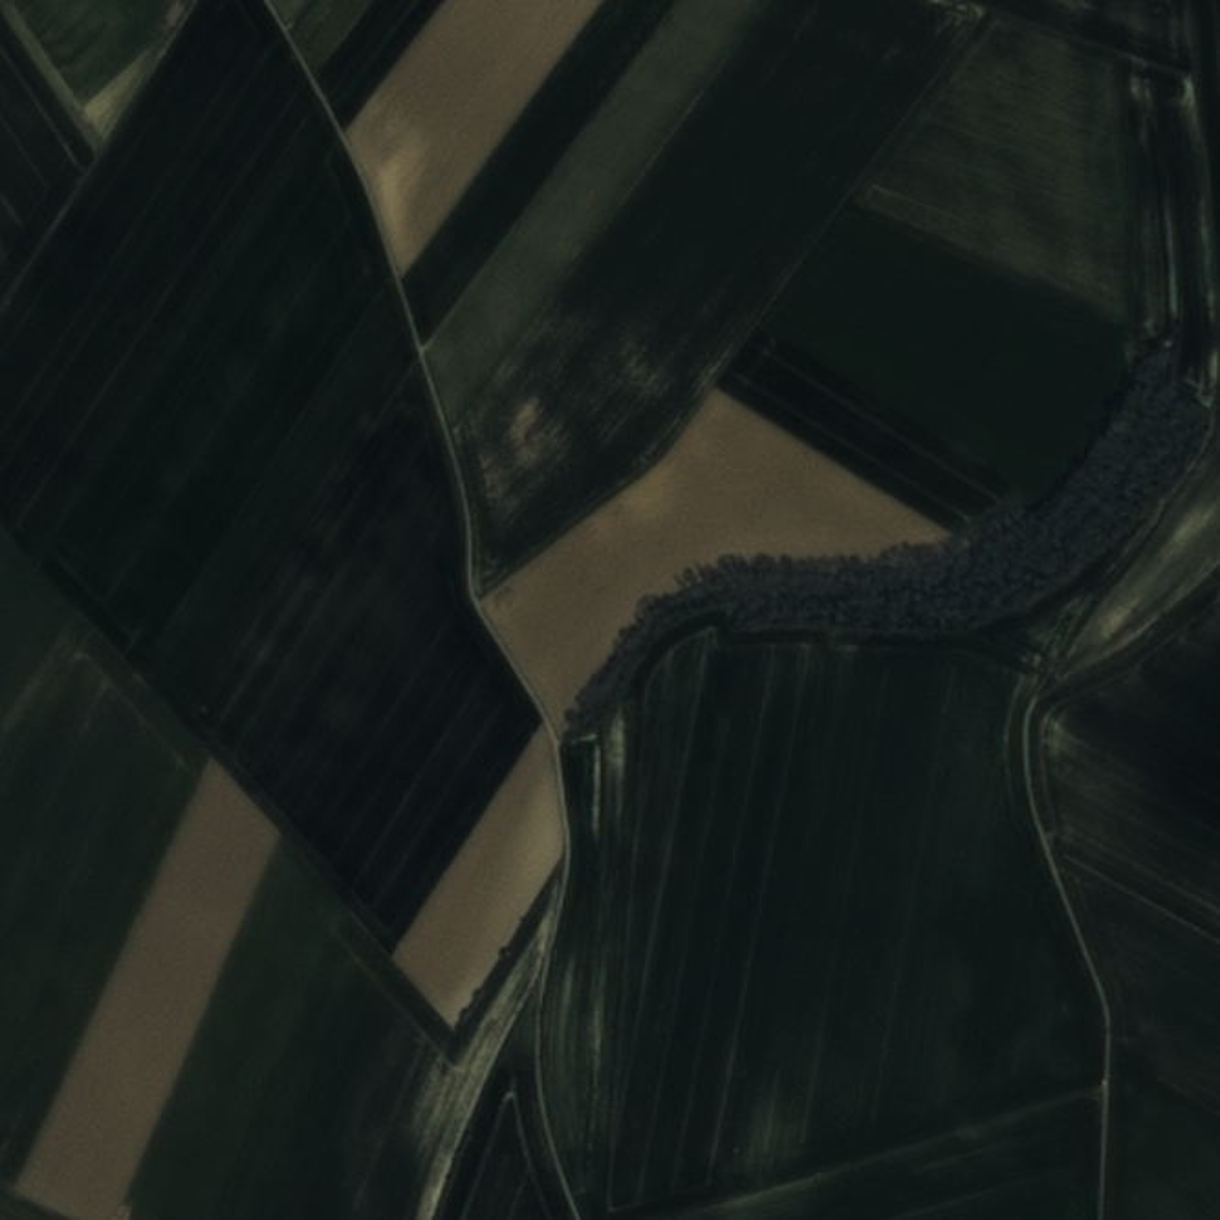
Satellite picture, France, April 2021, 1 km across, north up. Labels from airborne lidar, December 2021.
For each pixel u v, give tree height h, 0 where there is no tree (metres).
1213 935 0
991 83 0
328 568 0
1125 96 0
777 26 0
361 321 0
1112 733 0
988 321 0
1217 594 0
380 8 0
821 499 0
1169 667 0
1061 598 0
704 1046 0
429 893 0
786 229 0
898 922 0
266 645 0
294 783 0
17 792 0
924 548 0
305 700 0
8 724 0
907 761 0
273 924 0
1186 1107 0
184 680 0
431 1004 0
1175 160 0
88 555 0
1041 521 16
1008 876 0
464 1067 0
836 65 0
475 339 0
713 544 0
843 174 0
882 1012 0
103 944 0
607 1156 0
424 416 0
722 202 0
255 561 0
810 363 0
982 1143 0
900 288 0
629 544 0
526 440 0
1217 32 0
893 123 0
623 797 0
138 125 0
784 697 0
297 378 0
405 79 0
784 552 0
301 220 0
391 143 0
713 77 0
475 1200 0
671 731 0
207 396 0
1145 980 0
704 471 0
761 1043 0
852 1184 0
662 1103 0
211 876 0
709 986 0
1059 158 0
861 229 0
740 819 0
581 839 0
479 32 0
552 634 0
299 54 0
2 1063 0
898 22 0
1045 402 0
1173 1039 0
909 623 20
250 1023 0
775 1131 0
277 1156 0
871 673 0
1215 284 0
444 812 0
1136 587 0
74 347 0
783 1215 0
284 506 0
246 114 0
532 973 0
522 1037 0
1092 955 0
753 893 0
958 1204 0
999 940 0
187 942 0
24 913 0
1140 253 0
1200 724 0
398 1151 0
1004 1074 0
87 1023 0
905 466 0
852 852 0
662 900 0
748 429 0
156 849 0
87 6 0
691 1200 0
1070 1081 0
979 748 0
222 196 0
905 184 0
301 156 0
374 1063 0
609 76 0
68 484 0
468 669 0
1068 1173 0
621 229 0
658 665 0
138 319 0
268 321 0
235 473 0
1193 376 0
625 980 0
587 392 0
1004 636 0
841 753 0
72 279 0
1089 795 0
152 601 0
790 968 0
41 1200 0
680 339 0
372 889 0
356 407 0
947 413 0
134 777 0
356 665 0
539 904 0
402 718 0
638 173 0
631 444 0
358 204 0
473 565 0
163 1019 0
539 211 0
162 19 0
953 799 0
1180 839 0
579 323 0
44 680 0
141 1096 0
